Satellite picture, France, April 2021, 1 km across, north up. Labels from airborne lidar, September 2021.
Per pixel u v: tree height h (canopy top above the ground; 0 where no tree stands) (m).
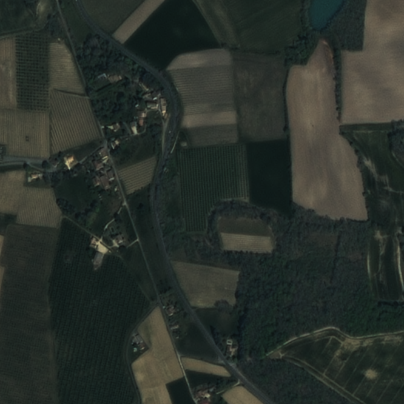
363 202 0
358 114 0
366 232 21
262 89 0
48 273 0
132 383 0
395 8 0
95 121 0
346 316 20
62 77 0
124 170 0
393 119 0
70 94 0
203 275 0
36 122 0
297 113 0
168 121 0
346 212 0
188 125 0
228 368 0
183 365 0
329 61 0
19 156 0
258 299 14
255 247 0
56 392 0
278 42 0
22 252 0
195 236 0
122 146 11
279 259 17
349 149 0
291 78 0
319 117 0
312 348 0
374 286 0
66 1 0
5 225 0
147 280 0
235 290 0
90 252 13
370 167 0
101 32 0
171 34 0
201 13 0
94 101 17
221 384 6
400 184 0
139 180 0
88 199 0
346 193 0
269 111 0
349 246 20
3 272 0
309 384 18
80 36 0
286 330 15
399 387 0
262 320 24
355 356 0
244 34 0
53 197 0
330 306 19
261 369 18
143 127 8
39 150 0
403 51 0
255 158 0
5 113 0
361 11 14
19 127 0
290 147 6
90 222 20
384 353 0
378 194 0
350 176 0
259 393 0
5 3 0
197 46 0
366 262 8
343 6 13
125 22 0
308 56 7
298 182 0
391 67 0
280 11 0
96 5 0
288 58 13
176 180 15
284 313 13
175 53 0
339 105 14
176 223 11
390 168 0
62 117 0
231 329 0
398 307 16
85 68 21
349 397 0
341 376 0
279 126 0
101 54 22
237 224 0
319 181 0
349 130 0
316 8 0
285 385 17
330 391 14
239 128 0
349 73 0
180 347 0
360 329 20
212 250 9
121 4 0
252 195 0
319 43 0
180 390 0
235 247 0
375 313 21
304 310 19
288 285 16
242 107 0
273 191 0
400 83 0
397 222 0
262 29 0
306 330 13
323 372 0
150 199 11
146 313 0
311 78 0
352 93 0
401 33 0
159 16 0
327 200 0
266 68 0
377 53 0
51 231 0
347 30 11
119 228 6
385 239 0
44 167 12
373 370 0
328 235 11
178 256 0
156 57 0
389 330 19
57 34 16
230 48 8
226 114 0
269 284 15
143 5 0
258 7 0
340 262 19
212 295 0
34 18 0
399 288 0
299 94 0
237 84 0
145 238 0
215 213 9
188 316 15
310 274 6
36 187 0
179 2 0
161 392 0
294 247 19
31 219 0
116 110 8
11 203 0
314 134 0
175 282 0
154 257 0
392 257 0
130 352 0
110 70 13
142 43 0
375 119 0
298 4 0
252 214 12
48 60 0
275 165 0
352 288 20
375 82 0
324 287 16
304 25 12
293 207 13
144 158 0
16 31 0
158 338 0
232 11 0
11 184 0
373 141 0
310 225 13
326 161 0
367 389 0
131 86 22
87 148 0
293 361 0
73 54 0
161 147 9
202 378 0
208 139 0
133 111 14
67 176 13
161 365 0
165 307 6
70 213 13
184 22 0
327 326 16
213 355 0
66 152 0
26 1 15
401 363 0
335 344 0
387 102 0
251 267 18
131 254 0
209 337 0
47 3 0
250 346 20
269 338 20
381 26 0
